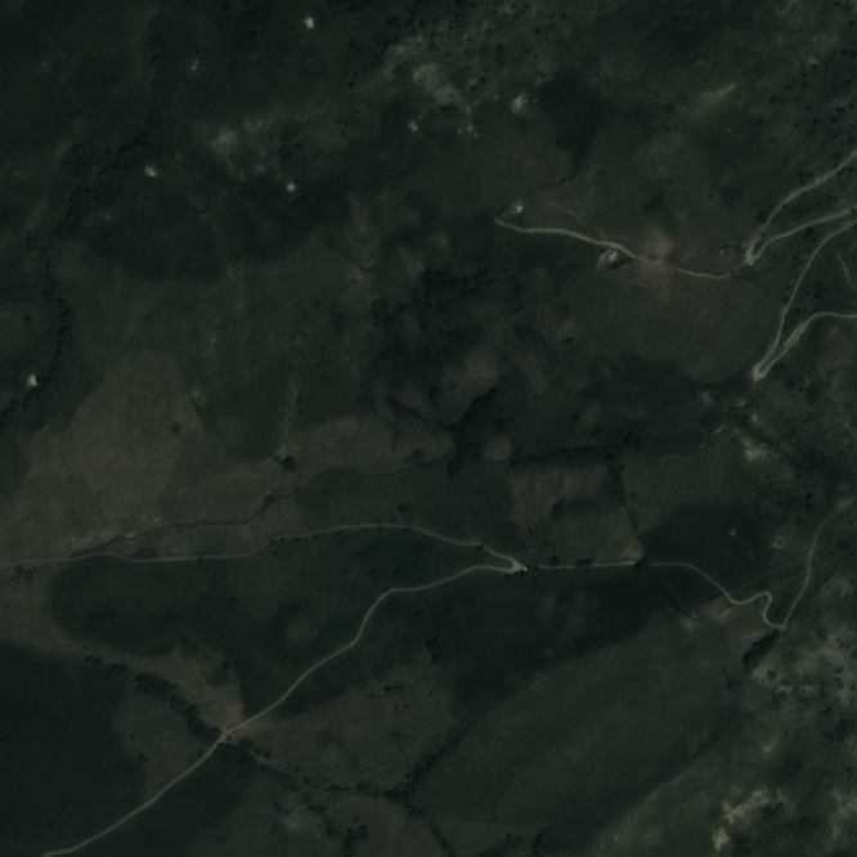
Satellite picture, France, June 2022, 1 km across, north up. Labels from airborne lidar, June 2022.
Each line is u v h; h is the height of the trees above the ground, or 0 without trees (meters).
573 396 0
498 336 0
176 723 0
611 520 0
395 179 0
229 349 0
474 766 0
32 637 0
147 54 0
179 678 0
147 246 0
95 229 0
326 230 0
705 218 0
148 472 0
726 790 0
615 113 0
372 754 0
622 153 0
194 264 0
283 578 0
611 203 0
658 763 0
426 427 0
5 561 0
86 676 0
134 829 0
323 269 0
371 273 0
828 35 0
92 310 0
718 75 0
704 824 0
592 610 0
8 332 0
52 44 0
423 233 0
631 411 0
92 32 0
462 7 16
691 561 0
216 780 0
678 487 0
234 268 0
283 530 0
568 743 0
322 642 0
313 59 0
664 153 0
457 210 0
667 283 0
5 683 0
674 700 0
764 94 0
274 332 0
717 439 0
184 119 0
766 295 0
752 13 0
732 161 0
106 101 0
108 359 0
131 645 0
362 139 0
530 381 0
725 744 0
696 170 0
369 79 0
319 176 0
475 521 0
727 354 0
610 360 0
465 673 0
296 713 0
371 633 0
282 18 0
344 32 0
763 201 0
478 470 0
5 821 0
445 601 0
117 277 0
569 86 0
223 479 0
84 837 0
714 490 0
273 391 0
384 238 0
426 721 0
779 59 0
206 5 0
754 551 0
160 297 0
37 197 0
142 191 0
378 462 0
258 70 0
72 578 0
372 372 0
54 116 0
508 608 0
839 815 0
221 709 0
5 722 0
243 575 0
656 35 0
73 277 0
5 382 0
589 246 0
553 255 0
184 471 0
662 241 0
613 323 0
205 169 0
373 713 0
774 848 0
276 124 6
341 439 0
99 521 0
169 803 0
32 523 0
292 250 0
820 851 0
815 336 7
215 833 0
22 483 0
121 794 0
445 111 8
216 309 0
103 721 0
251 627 0
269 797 0
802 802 0
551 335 0
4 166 0
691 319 0
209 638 0
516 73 0
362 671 0
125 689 0
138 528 0
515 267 0
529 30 0
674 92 0
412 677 0
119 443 0
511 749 0
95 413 0
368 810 0
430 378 0
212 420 0
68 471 0
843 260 0
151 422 0
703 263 0
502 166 0
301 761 0
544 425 0
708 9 0
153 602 0
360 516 0
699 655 0
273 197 0
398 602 0
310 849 0
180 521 0
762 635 0
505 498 0
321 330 0
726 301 0
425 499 0
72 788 0
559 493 0
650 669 0
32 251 12
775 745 0
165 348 0
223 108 0
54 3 0
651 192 0
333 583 0
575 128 0
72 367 0
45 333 0
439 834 8
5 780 0
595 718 0
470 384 0
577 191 0
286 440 0
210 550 0
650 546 0
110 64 0
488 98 0
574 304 0
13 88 0
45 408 0
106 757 0
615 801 0
